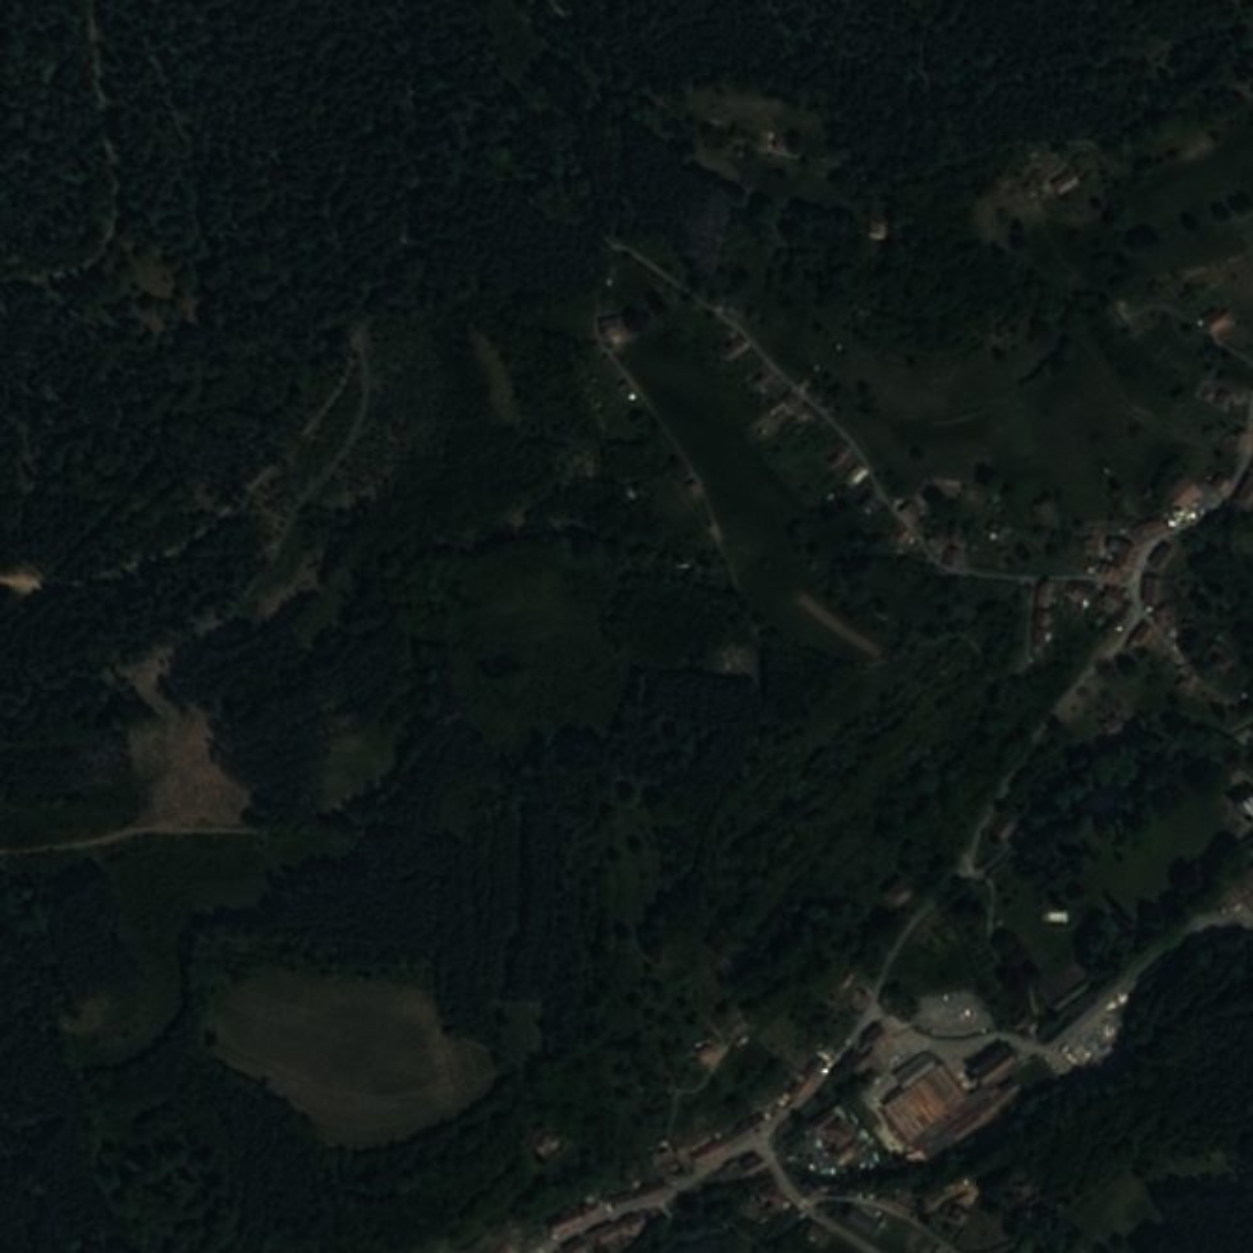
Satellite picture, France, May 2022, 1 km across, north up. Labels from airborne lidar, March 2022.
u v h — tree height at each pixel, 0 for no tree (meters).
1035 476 0
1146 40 12
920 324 8
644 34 27
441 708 28
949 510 10
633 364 0
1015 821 0
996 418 0
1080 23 15
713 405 0
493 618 0
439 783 31
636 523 10
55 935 28
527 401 15
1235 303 0
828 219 23
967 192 21
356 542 8
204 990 20
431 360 8
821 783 10
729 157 0
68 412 28
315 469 6
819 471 0
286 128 28
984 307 14
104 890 29
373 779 0
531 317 19
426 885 31
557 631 0
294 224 30
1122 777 16
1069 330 16
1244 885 0
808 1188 0
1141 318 0
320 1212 26
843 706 0
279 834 14
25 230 33
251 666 30
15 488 14
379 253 37
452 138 29
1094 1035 0
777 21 16
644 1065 20
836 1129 0
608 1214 0
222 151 11
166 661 0
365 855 31
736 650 0
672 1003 10
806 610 0
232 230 36
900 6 18
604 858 12
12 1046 30
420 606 26
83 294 34
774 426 0
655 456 9
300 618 20
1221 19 12
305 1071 0
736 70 19
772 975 16
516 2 39
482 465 7
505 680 29
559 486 9
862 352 0
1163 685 11
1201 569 12
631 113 22
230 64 32
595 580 0
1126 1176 0
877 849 23
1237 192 0
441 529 6
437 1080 0
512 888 10
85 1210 32
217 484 8
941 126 20
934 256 22
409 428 6
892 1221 0
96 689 34
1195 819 0
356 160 35
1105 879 0
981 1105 0
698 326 0
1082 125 24
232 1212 24
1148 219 0
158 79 12
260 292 33
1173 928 25
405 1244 19
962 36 14
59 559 21
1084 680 0
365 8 35
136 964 23
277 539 7
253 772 32
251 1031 0
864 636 0
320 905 31
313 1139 9
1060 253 0
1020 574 0
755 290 0
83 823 0
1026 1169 10
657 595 10
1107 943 26
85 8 20
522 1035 0
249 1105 20
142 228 13
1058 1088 18
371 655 26
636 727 16
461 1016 7
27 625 20
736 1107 11
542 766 31
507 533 7
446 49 28
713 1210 13
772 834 15
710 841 16
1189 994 17
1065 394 0
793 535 11
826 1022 11
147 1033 0
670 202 35
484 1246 0
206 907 0
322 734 31
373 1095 0
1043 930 0
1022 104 23
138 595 32
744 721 23
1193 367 0
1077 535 11
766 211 23
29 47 35
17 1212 36
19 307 30
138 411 20
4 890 25
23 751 21
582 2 21
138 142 30
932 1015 0
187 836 0
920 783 22
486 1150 17
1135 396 0
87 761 22
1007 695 17
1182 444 0
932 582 8
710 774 19
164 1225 31
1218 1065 13
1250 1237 28
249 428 36
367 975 14
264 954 0
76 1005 25
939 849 7
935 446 0
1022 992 14
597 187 33
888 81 17
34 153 33
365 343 0
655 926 15
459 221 39
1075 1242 23
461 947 20
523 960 21
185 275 17
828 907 32
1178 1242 30
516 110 29
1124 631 0
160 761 0
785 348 0
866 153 24
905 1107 0
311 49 30
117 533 22
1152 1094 16
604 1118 22
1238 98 12
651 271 0
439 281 33
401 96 29
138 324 12
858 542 13
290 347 34
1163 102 19
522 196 29
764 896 20
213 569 11
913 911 10
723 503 0
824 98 14
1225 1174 0
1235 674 6
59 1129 30
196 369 20
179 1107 11
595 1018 10
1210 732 18
